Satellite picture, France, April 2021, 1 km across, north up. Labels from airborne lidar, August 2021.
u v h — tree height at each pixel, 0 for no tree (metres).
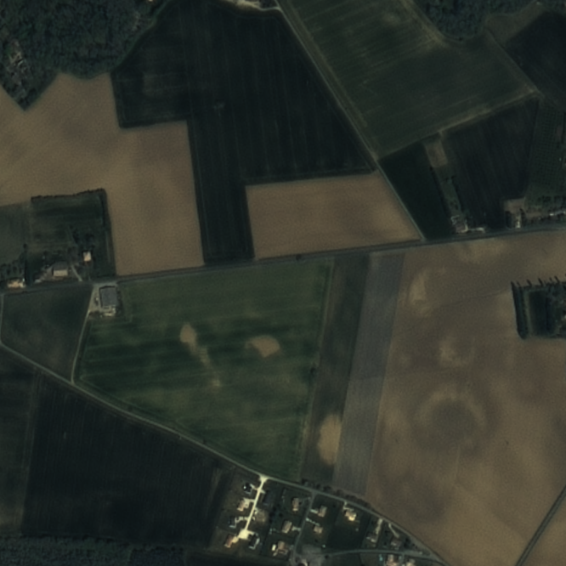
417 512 0
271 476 0
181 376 0
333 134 0
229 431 0
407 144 0
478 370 0
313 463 0
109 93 0
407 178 0
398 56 0
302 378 0
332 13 0
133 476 0
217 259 0
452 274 0
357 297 0
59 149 0
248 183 0
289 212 0
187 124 0
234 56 0
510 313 0
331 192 0
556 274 0
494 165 0
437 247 0
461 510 0
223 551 0
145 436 0
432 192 0
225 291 0
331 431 0
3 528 0
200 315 0
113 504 0
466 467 0
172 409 0
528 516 0
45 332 0
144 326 0
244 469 0
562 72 0
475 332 0
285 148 0
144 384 0
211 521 0
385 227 0
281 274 0
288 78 0
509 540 0
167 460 0
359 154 0
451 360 0
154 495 0
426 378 0
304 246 0
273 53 0
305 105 0
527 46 0
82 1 14
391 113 0
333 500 0
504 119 0
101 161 0
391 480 0
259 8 0
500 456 0
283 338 0
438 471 0
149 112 0
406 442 0
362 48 0
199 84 0
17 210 0
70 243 0
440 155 0
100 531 0
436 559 0
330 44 0
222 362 0
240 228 0
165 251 0
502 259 0
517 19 0
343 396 0
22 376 0
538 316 0
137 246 0
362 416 0
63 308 0
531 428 0
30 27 19
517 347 0
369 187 0
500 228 0
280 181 0
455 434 0
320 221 0
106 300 0
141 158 0
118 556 11
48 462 0
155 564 11
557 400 0
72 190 0
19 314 0
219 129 0
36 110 0
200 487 0
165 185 0
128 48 16
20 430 0
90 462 0
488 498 0
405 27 0
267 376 0
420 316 0
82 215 0
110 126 0
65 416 0
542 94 0
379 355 0
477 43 0
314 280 0
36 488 0
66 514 0
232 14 0
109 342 0
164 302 0
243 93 0
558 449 0
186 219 0
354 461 0
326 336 0
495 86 0
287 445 0
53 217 0
